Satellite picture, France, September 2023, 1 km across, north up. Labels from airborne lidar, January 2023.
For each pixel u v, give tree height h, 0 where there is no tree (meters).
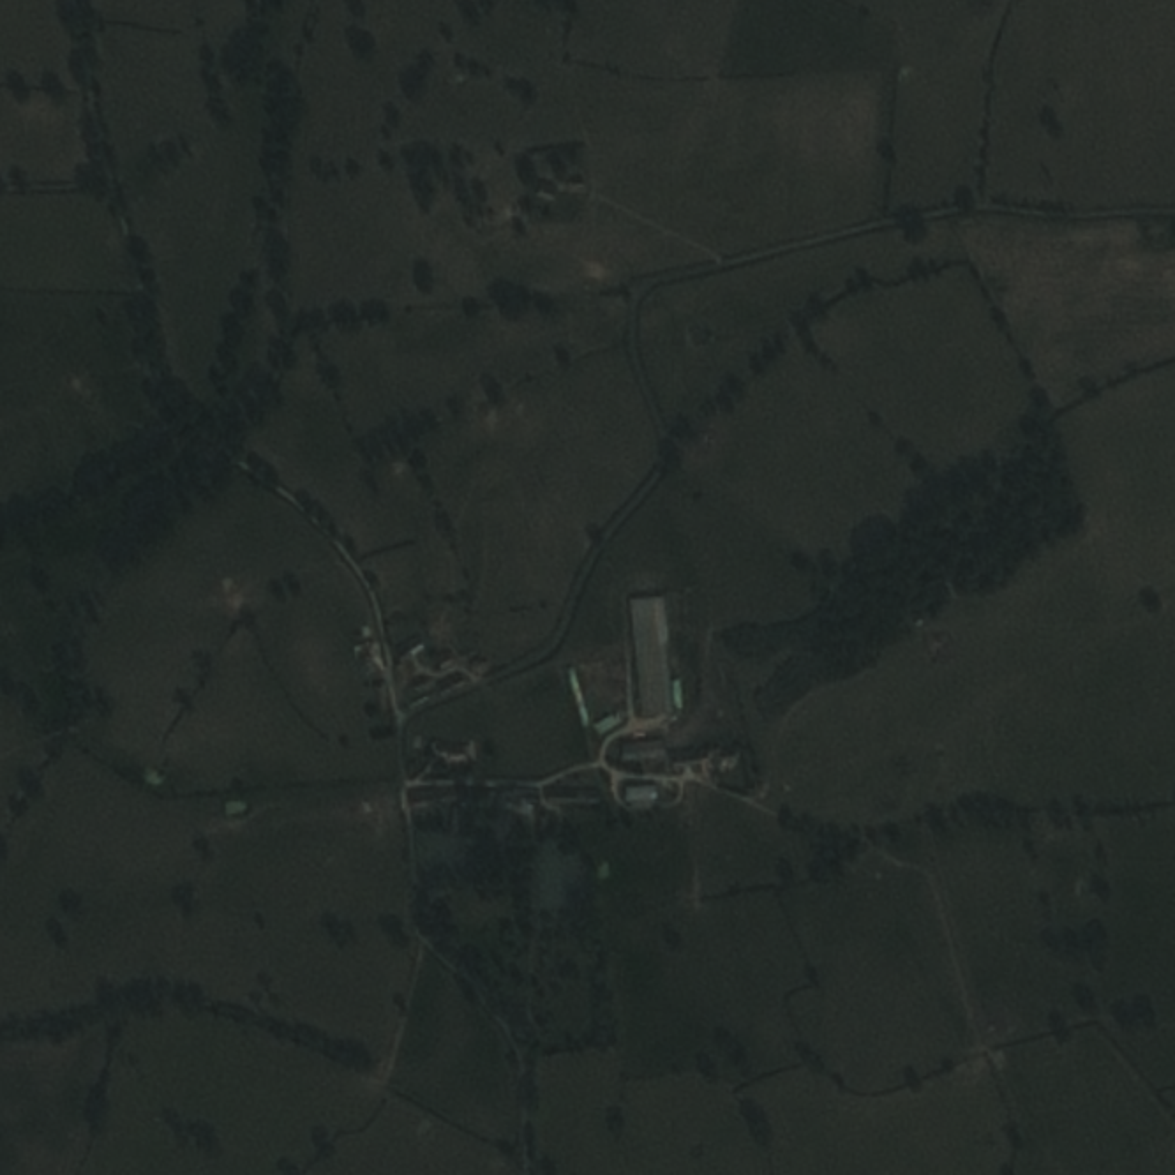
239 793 12
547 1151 0
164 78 0
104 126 14
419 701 0
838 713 0
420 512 0
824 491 0
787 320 0
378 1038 0
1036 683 0
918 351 0
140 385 0
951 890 0
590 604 0
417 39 0
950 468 0
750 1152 0
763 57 0
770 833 0
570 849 12
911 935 0
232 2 0
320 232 0
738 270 0
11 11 0
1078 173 0
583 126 0
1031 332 0
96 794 0
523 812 0
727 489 0
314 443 0
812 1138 0
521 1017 22
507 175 0
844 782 0
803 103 0
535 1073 18
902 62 0
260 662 0
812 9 0
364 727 0
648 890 0
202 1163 0
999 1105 0
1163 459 0
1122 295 0
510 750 0
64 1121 0
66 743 14
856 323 0
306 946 0
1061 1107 0
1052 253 0
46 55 0
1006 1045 0
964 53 0
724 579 0
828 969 0
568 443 0
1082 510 6
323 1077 0
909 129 0
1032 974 0
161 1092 0
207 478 24
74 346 0
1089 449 0
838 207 0
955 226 0
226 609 0
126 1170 0
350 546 11
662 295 0
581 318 0
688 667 0
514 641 0
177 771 0
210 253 0
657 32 0
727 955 0
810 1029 0
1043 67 0
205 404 0
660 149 0
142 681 0
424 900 21
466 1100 0
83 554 0
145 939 0
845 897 0
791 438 0
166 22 0
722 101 0
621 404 0
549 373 0
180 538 0
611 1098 0
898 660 0
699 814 0
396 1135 0
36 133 0
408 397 0
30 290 0
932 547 11
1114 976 0
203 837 0
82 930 0
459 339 0
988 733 0
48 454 0
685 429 16
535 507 0
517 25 0
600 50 0
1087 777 0
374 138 0
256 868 0
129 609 0
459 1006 0
